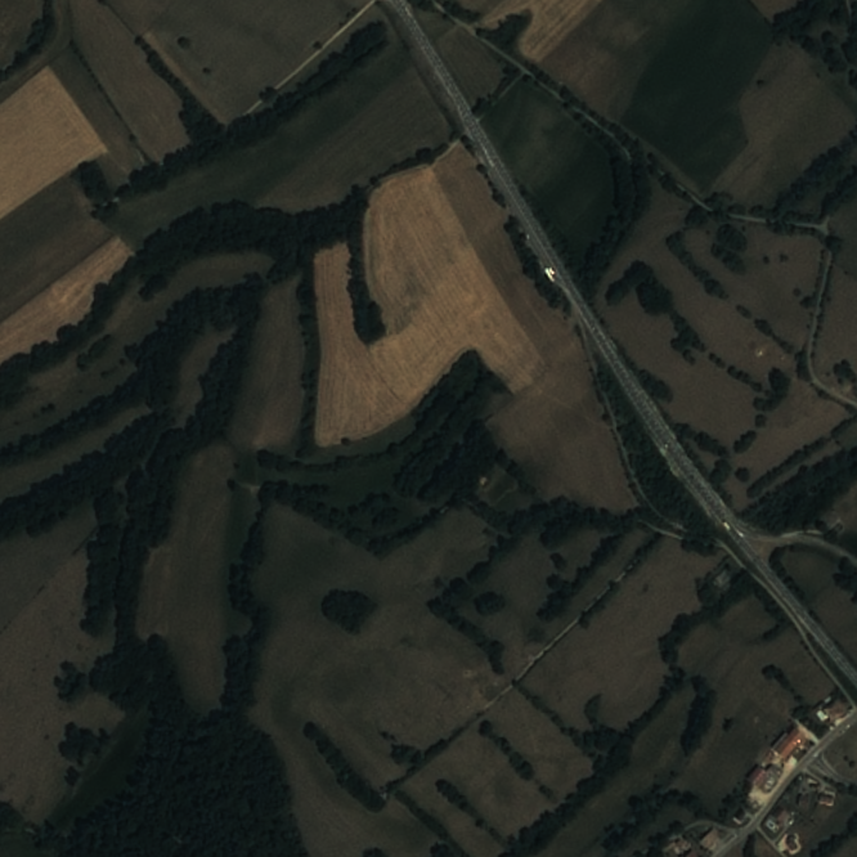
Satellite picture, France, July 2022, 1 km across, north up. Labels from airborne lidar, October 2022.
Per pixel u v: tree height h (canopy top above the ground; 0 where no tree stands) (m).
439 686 0
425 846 0
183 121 11
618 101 0
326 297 0
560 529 20
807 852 0
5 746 0
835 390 0
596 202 0
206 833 25
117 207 11
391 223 0
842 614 0
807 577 0
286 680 0
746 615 0
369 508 15
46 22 12
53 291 0
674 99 0
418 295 0
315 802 0
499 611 14
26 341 0
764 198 0
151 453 13
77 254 0
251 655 22
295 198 0
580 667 0
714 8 0
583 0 0
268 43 0
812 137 0
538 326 0
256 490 0
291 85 0
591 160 0
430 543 0
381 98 0
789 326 0
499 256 0
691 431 11
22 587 0
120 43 0
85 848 22
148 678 23
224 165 0
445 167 0
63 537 0
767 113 0
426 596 0
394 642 0
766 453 0
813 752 0
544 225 7
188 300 8
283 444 0
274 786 16
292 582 0
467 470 22
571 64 0
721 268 0
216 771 21
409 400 0
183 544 0
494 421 0
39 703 0
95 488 20
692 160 0
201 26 0
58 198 0
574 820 21
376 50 12
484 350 0
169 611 0
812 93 0
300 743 0
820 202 0
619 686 0
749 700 0
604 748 21
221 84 0
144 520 9
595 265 12
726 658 0
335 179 0
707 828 0
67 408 0
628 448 9
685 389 0
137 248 0
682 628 19
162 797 17
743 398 0
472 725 0
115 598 16
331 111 0
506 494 0
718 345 0
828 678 0
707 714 20
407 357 0
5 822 19
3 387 10
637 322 0
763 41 0
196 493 0
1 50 0
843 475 22
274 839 14
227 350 17
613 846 18
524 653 0
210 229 25
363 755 0
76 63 0
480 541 0
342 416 0
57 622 0
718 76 0
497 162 0
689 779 0
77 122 0
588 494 0
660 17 0
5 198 0
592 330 0
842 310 0
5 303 0
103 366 0
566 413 0
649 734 0
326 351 0
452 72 0
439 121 0
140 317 0
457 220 0
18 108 0
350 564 0
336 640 0
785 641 0
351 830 0
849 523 0
